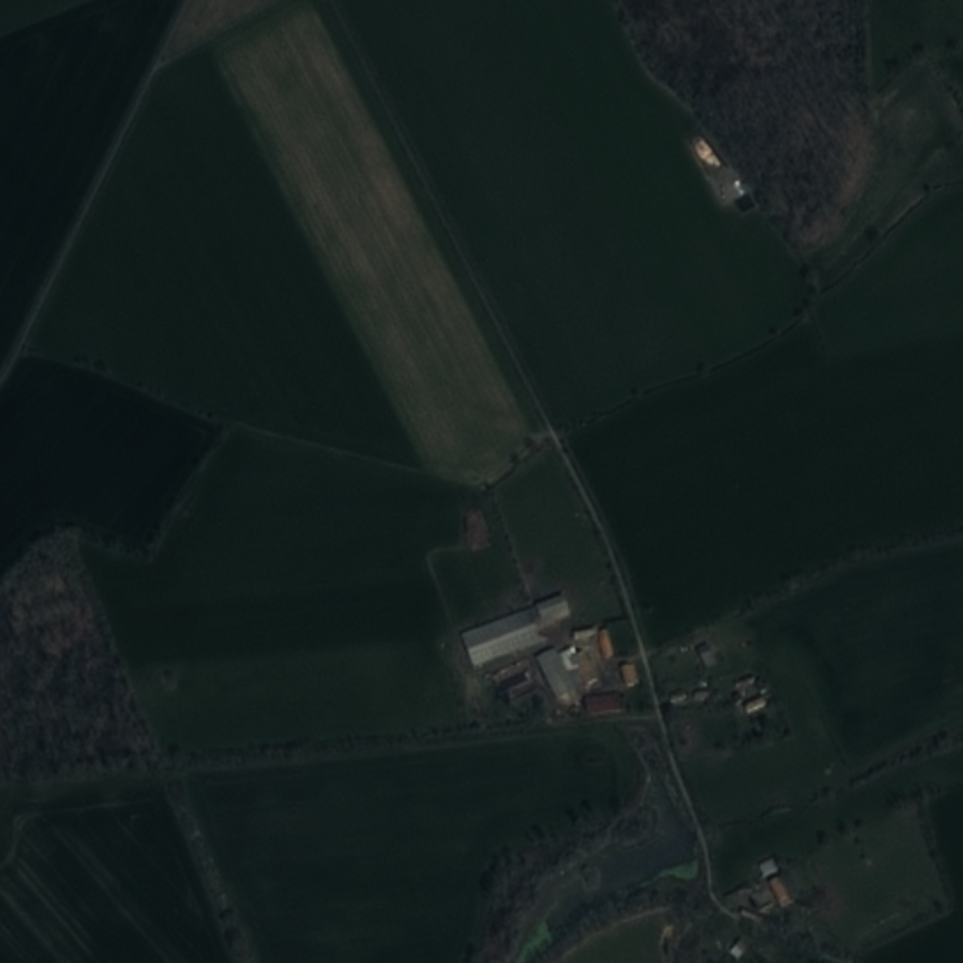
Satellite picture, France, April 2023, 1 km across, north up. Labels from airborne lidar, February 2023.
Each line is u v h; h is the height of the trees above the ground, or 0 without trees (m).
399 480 0
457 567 0
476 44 0
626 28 15
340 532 0
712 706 12
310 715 0
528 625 0
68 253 0
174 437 0
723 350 0
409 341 0
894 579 0
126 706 20
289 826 0
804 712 0
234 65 0
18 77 0
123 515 0
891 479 0
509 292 0
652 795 0
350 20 0
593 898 0
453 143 0
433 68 0
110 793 0
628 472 0
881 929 0
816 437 0
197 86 0
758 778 0
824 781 0
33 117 0
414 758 0
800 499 0
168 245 0
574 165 0
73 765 19
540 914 0
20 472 0
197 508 0
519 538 0
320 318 0
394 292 0
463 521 0
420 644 0
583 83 0
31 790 18
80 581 14
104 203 0
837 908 0
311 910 0
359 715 0
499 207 0
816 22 12
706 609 0
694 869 0
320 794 0
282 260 0
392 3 0
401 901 0
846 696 0
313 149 0
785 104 20
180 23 0
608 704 0
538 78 0
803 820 0
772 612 0
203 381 0
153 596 0
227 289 0
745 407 0
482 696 0
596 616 0
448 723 0
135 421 0
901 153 0
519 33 0
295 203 0
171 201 0
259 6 0
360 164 0
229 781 0
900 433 0
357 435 0
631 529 0
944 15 0
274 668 0
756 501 0
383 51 0
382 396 0
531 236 0
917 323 0
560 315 0
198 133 0
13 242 0
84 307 0
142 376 0
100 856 0
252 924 0
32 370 0
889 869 0
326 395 0
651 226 0
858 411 0
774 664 0
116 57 0
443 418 0
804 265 0
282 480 0
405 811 0
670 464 0
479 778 0
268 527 0
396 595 0
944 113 0
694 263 0
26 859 0
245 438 0
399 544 0
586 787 0
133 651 0
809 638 0
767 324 0
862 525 0
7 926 0
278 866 0
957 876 0
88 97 0
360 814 0
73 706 20
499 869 17
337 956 0
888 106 0
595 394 0
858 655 0
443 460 0
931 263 0
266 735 0
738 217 0
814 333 0
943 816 0
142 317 0
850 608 0
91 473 0
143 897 0
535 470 0
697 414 0
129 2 0
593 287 0
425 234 0
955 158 0
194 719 0
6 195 0
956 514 0
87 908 0
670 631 0
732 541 0
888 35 0
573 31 0
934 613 0
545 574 0
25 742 21
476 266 0
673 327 0
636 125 0
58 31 0
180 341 0
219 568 0
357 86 0
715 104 18
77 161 0
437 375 0
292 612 0
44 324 0
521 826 0
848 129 25
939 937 0
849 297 0
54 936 0
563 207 0
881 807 0
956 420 0
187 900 0
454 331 0
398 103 0
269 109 0
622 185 0
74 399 0
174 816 0
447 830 0
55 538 16
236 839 0
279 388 0
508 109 0
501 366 0
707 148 0
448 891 0
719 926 0
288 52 0
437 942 0
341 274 0
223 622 0
